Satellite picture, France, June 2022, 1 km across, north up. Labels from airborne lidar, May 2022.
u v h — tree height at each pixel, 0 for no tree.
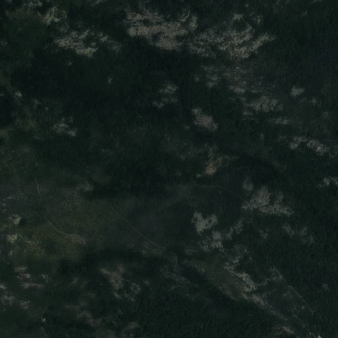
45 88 16
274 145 11
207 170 0
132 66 23
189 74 12
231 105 8
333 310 10
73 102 11
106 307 12
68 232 0
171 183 8
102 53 16
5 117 8
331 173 9
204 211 7
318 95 9
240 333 13
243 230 8
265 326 12
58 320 16
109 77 10
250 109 6
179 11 6
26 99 7
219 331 15
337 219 16
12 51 6
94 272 0
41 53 10
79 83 22
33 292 0
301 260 6
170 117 13
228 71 0
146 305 9
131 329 0
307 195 10
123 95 18
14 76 16
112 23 11
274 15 11
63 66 10
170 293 12
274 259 11
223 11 8
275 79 7
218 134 7
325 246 15
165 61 14
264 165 10
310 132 8
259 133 12
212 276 0
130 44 12
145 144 8
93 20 12
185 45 6
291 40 15
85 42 8
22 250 0
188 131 7
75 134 8
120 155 6
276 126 7
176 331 18
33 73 18
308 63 9
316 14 16
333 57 11
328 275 11
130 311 15
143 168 17
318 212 10
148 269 6
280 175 20
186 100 18
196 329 13
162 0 10
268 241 7
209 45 8
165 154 9
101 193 13
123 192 14
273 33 8
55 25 7
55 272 0
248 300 0
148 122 12
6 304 0
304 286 18
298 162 16
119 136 7
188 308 16
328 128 6
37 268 0
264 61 8
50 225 0
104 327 0
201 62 7
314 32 25
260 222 7
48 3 11
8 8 8
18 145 0
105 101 17
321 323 11
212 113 10
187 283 0
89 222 0
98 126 6
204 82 8
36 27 6
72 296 7
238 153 10
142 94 9
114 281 0
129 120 7
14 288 0
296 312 7
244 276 8
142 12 7
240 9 6
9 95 8
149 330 21
